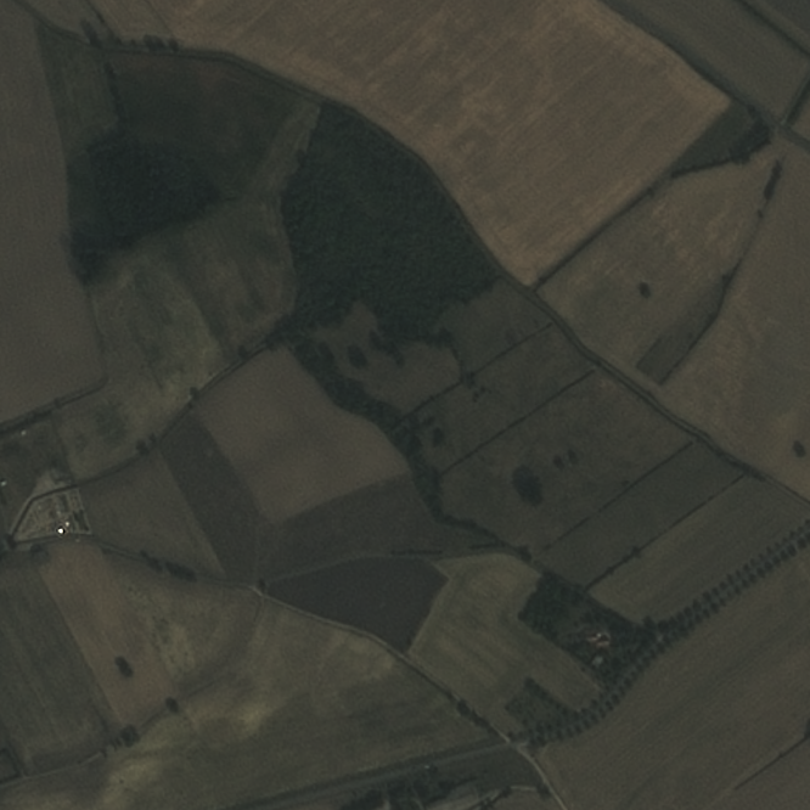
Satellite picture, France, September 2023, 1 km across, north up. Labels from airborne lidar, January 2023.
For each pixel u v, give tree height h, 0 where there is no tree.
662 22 0
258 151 0
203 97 0
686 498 0
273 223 0
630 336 0
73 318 0
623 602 0
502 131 0
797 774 0
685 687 0
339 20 0
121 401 0
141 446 10
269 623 0
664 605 0
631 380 0
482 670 0
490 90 0
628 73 0
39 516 0
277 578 0
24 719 0
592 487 0
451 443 0
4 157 0
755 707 0
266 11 0
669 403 0
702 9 0
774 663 0
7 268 0
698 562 0
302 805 0
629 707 0
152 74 0
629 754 0
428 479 15
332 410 0
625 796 0
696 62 0
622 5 0
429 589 0
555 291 0
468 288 6
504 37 0
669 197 0
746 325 0
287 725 0
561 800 0
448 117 0
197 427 0
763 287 0
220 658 0
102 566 0
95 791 0
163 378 0
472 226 0
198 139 0
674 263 0
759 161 0
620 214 0
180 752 0
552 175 0
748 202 0
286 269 0
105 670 0
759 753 0
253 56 0
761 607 0
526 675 0
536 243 0
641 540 0
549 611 12
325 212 10
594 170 0
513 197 0
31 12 0
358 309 0
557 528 0
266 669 0
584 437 0
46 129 0
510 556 0
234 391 0
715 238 0
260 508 0
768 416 0
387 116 0
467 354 0
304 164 16
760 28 0
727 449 0
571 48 0
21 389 0
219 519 0
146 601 0
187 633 0
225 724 0
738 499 0
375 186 6
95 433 0
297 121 0
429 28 0
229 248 0
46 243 0
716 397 0
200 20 0
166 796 0
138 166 11
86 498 0
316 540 0
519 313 0
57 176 0
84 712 0
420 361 0
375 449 0
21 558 0
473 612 0
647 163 0
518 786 0
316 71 0
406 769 0
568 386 0
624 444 0
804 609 0
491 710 0
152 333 0
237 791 0
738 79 0
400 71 0
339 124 9
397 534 0
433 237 6
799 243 0
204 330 0
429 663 0
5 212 0
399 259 6
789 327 0
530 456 0
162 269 0
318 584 0
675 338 0
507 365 0
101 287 0
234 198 0
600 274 0
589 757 0
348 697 0
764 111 0
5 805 0
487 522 0
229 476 0
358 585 0
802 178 0
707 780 0
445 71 0
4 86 0
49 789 0
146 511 0
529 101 0
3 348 0
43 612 0
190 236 0
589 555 0
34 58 0
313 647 0
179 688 0
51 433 0
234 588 0
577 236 0
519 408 0
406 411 0
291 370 0
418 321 6
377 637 0
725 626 0
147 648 0
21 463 0
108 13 0
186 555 0
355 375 0
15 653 0
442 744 0
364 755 0
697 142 0
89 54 0
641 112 0
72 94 0
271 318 0
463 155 0
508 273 0
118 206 19
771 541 0
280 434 0
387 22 0
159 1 0
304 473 0
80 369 0
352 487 0
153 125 0
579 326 0
